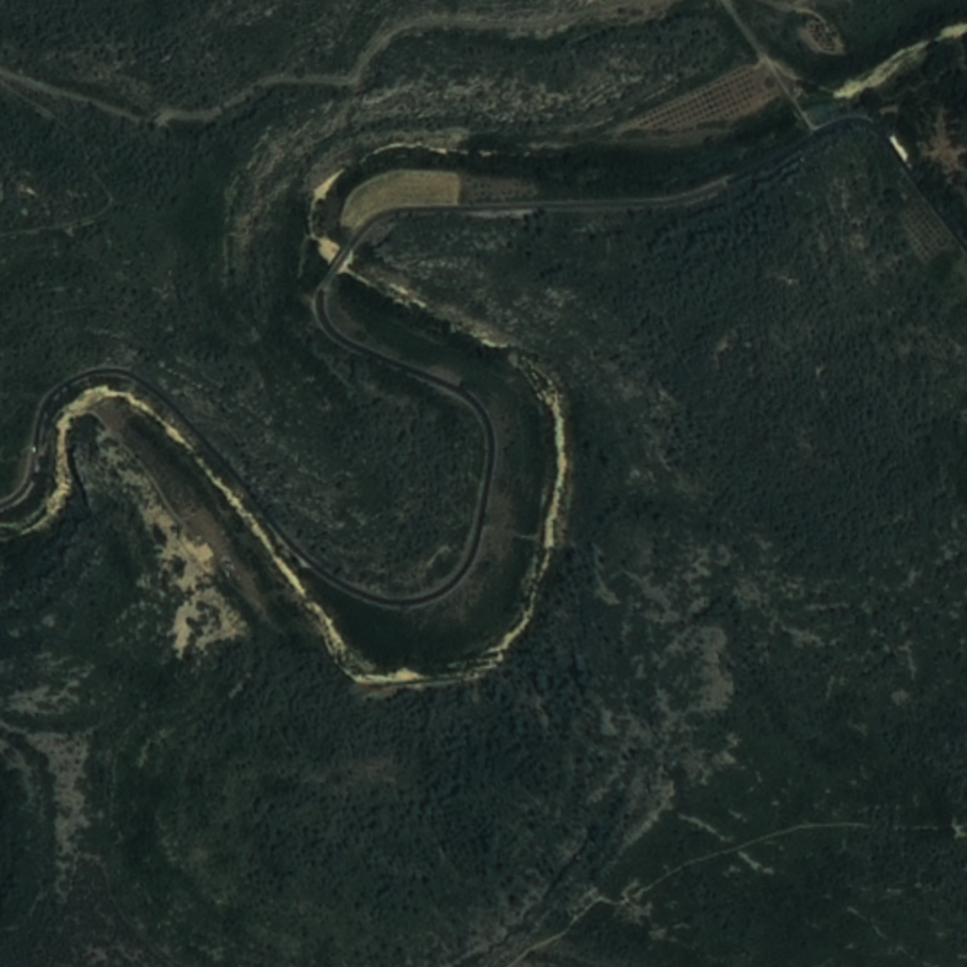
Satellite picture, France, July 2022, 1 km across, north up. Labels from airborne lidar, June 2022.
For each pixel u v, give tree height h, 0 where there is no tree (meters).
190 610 0
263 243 9
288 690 17
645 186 10
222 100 7
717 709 0
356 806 8
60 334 14
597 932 9
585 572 6
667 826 0
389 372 9
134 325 7
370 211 0
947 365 7
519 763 10
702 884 8
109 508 7
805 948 7
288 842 15
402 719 8
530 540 8
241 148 10
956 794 8
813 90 9
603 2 0
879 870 6
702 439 11
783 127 7
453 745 19
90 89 8
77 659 0
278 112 8
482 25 0
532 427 7
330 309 0
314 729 11
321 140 8
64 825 0
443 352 6
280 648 10
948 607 11
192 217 7
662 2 0
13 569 7
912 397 13
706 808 0
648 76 13
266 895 6
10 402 14
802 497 10
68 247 9
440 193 0
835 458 8
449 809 9
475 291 0
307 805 10
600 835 12
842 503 11
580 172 13
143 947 7
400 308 11
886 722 10
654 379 7
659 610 0
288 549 0
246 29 6
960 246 10
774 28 11
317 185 0
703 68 11
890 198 16
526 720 6
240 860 9
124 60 14
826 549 13
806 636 0
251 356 9
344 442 12
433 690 11
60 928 6
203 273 6
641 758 8
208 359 9
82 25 12
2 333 7
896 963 0
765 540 0
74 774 0
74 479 8
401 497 13
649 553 0
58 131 11
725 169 7
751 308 10
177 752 7
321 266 7
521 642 12
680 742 0
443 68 0
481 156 13
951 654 11
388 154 9
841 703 10
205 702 9
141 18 6
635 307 6
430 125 13
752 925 8
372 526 6
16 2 12
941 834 8
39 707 0
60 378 7
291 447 0
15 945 8
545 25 0
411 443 16
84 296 6
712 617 12
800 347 7
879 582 0
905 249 14
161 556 0
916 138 13
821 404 10
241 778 10
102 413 0
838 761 7
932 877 6
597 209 0
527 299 0
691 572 0
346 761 8
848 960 0
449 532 8
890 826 9
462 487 10
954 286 0
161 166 11
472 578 8
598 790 0
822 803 0
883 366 10
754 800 0
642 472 0
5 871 10
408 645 6
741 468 8
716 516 7
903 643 0
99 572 0
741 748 0
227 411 12
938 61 20
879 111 21
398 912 10
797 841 0
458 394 0
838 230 12
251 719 11
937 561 0
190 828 6
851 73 9
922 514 14
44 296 10
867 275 10
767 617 0
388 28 0
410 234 0
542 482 9
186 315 7
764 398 9
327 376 9
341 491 11
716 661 0
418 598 0
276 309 7
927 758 9
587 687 13
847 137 10
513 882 10
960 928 7
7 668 0
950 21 21
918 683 0
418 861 6
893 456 13
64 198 10
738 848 0
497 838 13
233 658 12
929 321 13
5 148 8
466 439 10
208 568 0
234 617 0
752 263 11
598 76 0
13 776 6
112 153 13
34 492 7
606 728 0
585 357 0
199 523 0
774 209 9
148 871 8
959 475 8
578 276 7
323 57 6
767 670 7
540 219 18
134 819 10
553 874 9
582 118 10
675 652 0
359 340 0
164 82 17
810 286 8
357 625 6
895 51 13
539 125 17
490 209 0
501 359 16
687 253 10
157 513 0
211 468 8
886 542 13
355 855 9
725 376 10
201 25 8
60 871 0
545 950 0
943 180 6
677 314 9
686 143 0
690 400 9
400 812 7
